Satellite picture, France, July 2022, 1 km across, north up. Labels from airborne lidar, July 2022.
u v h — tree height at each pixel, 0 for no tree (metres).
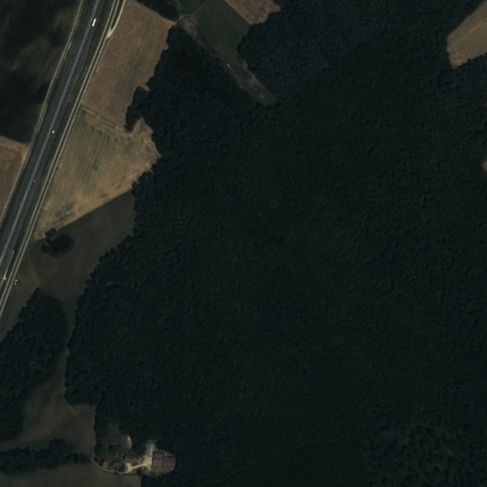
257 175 16
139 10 0
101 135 0
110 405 22
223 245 14
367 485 11
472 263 17
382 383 24
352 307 14
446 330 21
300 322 29
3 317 0
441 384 22
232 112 18
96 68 0
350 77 23
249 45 22
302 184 28
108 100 0
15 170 0
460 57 0
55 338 26
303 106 23
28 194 0
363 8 10
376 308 21
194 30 0
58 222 0
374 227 24
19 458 33
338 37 18
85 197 0
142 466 0
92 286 22
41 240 0
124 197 0
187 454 19
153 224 16
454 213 18
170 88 29
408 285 19
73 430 0
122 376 19
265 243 21
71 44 0
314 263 17
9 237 0
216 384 20
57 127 0
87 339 22
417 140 22
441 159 17
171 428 22
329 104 21
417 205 22
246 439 21
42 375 21
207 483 15
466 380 20
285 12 10
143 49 0
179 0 0
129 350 20
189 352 20
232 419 21
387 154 25
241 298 21
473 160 15
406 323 18
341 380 21
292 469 16
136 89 0
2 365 22
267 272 20
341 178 24
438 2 16
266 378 19
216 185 23
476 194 19
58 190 0
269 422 20
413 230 16
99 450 20
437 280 22
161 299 21
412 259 23
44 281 0
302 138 23
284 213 21
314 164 27
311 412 22
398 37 24
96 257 0
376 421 27
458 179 20
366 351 17
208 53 25
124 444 0
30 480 0
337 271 18
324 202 21
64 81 0
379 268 19
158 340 17
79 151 0
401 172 23
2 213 0
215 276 18
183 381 28
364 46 20
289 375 21
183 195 20
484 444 20
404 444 0
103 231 0
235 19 0
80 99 0
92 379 23
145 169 0
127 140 0
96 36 0
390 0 20
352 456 11
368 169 19
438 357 19
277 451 16
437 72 28
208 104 25
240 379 20
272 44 25
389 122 18
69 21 0
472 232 22
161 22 0
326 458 10
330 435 20
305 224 22
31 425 0
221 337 25
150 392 26
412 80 23
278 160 22
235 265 17
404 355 19
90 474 0
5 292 0
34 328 24
